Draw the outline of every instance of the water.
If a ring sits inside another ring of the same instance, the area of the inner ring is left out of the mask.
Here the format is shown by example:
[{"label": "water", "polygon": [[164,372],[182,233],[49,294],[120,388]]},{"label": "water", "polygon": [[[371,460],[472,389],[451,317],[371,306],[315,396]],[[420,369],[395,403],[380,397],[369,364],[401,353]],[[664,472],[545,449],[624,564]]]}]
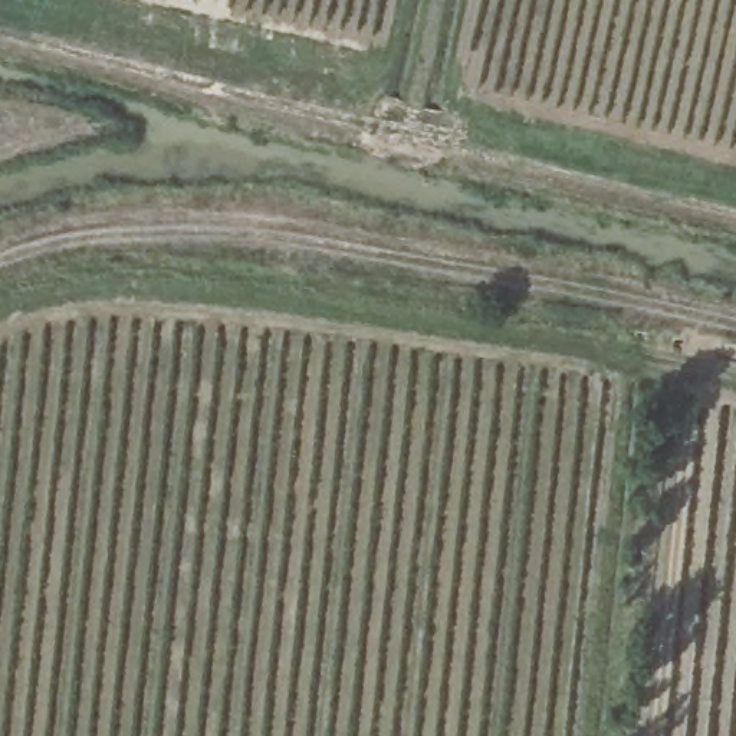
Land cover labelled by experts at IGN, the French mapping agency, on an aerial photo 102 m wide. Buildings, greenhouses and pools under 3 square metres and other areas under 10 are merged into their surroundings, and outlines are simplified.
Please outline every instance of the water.
[{"label": "water", "polygon": [[23,216],[35,210],[69,213],[72,196],[92,184],[239,184],[250,181],[256,173],[282,170],[288,181],[336,193],[342,198],[357,198],[374,207],[400,210],[411,216],[428,216],[497,236],[532,236],[546,242],[578,250],[615,253],[621,259],[641,265],[647,273],[670,267],[670,259],[684,259],[693,273],[710,273],[722,256],[707,250],[687,250],[647,236],[595,233],[587,224],[566,221],[561,216],[523,216],[515,210],[489,213],[457,196],[451,196],[443,187],[417,187],[408,178],[391,175],[380,167],[380,161],[345,167],[311,161],[305,155],[279,152],[270,147],[244,150],[242,144],[230,144],[210,132],[190,129],[181,121],[144,104],[135,104],[132,109],[115,104],[106,118],[132,124],[132,155],[101,155],[81,164],[32,173],[14,181],[0,181],[0,213],[14,207],[20,207]]}]

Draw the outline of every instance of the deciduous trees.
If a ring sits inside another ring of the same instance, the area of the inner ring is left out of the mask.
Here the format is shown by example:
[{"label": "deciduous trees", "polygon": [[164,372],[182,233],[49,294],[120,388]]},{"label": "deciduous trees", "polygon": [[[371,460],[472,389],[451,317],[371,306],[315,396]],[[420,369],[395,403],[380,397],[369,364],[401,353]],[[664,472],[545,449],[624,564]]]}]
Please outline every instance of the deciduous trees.
[{"label": "deciduous trees", "polygon": [[658,495],[667,489],[661,477],[650,474],[653,451],[661,446],[661,437],[650,420],[638,423],[638,440],[635,446],[630,446],[630,460],[624,466],[612,463],[607,526],[595,529],[595,543],[604,543],[604,564],[598,610],[587,612],[575,736],[630,736],[641,727],[638,716],[641,707],[647,707],[635,696],[641,687],[656,684],[658,667],[644,653],[644,638],[633,635],[635,621],[647,618],[644,607],[627,604],[624,578],[635,575],[635,532],[641,526],[653,526],[658,532],[667,529],[667,523],[656,512]]},{"label": "deciduous trees", "polygon": [[95,124],[95,132],[0,161],[0,181],[14,181],[32,173],[81,164],[101,155],[132,155],[132,124],[106,118],[115,104],[132,109],[135,104],[144,104],[181,121],[193,112],[193,104],[187,98],[164,95],[132,78],[124,81],[124,86],[104,83],[92,78],[86,69],[60,69],[49,58],[20,60],[20,81],[40,83],[40,92],[26,92],[23,101],[78,112]]},{"label": "deciduous trees", "polygon": [[566,221],[587,224],[595,233],[647,236],[687,250],[707,250],[722,256],[730,259],[736,253],[736,216],[730,221],[722,221],[710,216],[696,216],[690,210],[673,210],[667,198],[638,198],[633,196],[633,190],[604,190],[601,184],[575,181],[564,175],[555,175],[546,190],[526,193],[520,187],[497,187],[463,175],[457,184],[457,196],[489,213],[515,210],[523,216],[561,216]]},{"label": "deciduous trees", "polygon": [[532,236],[497,236],[492,244],[495,250],[509,250],[532,259],[541,253],[546,242]]}]

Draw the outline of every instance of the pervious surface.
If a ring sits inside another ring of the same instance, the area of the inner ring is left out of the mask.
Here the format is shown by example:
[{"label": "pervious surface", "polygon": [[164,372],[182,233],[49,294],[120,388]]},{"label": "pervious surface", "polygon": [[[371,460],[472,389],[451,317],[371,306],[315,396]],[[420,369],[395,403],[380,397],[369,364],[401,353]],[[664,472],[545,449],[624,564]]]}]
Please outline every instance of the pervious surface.
[{"label": "pervious surface", "polygon": [[526,302],[535,305],[552,305],[555,296],[564,296],[592,305],[624,308],[647,316],[679,319],[684,331],[736,328],[736,288],[727,290],[702,279],[684,279],[676,267],[670,267],[647,273],[641,265],[621,259],[615,253],[578,250],[546,242],[541,253],[532,259],[509,250],[495,250],[469,250],[411,236],[365,233],[359,227],[339,227],[331,221],[282,213],[187,207],[161,210],[158,201],[147,210],[95,204],[92,213],[69,213],[35,210],[23,216],[20,207],[14,207],[0,213],[0,267],[35,259],[40,253],[58,253],[72,247],[221,242],[236,247],[265,247],[282,253],[322,253],[334,259],[351,259],[359,265],[388,265],[420,276],[477,285],[492,282],[495,273],[506,267],[520,267],[529,276]]}]

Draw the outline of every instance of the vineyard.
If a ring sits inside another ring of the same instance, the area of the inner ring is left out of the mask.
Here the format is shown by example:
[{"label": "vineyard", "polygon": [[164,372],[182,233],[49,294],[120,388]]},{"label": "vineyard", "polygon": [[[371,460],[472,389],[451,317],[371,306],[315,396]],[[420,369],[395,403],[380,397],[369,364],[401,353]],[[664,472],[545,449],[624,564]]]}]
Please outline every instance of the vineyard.
[{"label": "vineyard", "polygon": [[587,612],[598,610],[604,564],[604,543],[595,543],[595,529],[607,526],[612,463],[624,466],[630,460],[630,446],[635,446],[638,440],[638,423],[650,420],[661,437],[661,446],[653,451],[650,474],[661,477],[667,489],[658,495],[656,512],[667,523],[667,529],[658,532],[653,526],[641,526],[635,532],[635,575],[624,578],[627,604],[644,607],[661,587],[676,587],[681,578],[699,575],[702,566],[716,569],[716,595],[710,601],[710,610],[687,621],[687,650],[679,661],[658,667],[656,684],[641,687],[635,696],[647,707],[641,707],[638,716],[641,727],[630,736],[736,736],[736,328],[684,331],[679,319],[647,316],[624,308],[592,305],[564,296],[555,296],[552,305],[535,305],[526,302],[529,276],[520,267],[506,267],[495,273],[492,282],[477,285],[420,276],[388,265],[359,265],[351,259],[334,259],[322,253],[282,253],[265,247],[236,247],[221,242],[72,247],[58,253],[40,253],[35,259],[0,267],[0,736],[575,736]]},{"label": "vineyard", "polygon": [[670,259],[670,267],[676,267],[684,279],[702,279],[727,290],[736,288],[736,253],[730,259],[722,256],[710,273],[693,273],[684,259]]},{"label": "vineyard", "polygon": [[676,150],[713,164],[736,161],[736,0],[469,0],[457,43],[457,60],[463,69],[457,98],[469,98],[500,112],[520,112],[526,121],[555,121],[566,127],[595,129],[615,138],[627,138],[638,147]]},{"label": "vineyard", "polygon": [[265,40],[270,40],[276,32],[285,32],[322,40],[331,46],[348,46],[357,52],[388,43],[400,0],[132,0],[187,9],[219,20],[224,17],[230,23],[259,26],[265,29]]},{"label": "vineyard", "polygon": [[408,106],[408,101],[397,98],[368,98],[365,104],[351,104],[348,109],[339,109],[319,101],[267,95],[256,83],[219,83],[196,72],[150,63],[132,55],[112,55],[52,35],[40,40],[40,52],[49,58],[60,69],[86,69],[92,78],[104,83],[124,86],[124,81],[132,78],[164,95],[187,98],[193,104],[193,112],[181,121],[190,129],[210,132],[230,144],[242,144],[244,150],[270,147],[279,152],[305,155],[311,161],[345,167],[380,161],[380,167],[391,175],[408,178],[417,187],[443,187],[451,196],[457,196],[457,184],[463,175],[497,187],[520,187],[526,193],[546,190],[555,175],[564,175],[575,181],[601,184],[604,190],[633,190],[633,196],[638,198],[667,198],[673,210],[690,210],[696,216],[710,216],[722,221],[730,221],[736,216],[736,207],[696,196],[676,196],[667,190],[647,190],[621,178],[558,167],[518,152],[469,147],[466,121],[451,109],[440,109],[437,101]]}]

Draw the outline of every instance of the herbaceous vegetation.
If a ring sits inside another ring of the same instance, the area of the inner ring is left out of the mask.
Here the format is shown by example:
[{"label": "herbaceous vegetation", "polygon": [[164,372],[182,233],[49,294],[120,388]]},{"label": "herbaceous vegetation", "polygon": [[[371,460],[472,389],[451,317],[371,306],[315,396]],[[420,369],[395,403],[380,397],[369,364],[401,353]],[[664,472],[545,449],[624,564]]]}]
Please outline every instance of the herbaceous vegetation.
[{"label": "herbaceous vegetation", "polygon": [[681,578],[676,587],[661,587],[644,607],[647,618],[635,621],[633,635],[644,638],[644,653],[658,667],[679,661],[687,650],[687,621],[710,610],[710,601],[716,595],[716,569],[702,566],[699,575]]},{"label": "herbaceous vegetation", "polygon": [[495,250],[492,244],[497,236],[428,216],[411,216],[400,210],[374,207],[357,198],[342,198],[336,193],[288,181],[282,170],[256,173],[250,181],[239,184],[92,184],[72,196],[69,213],[92,213],[95,204],[147,210],[158,201],[161,210],[187,207],[282,213],[331,221],[339,227],[359,227],[365,233],[411,236],[469,250]]},{"label": "herbaceous vegetation", "polygon": [[348,46],[331,46],[322,40],[285,32],[276,32],[270,40],[265,40],[265,29],[259,26],[230,23],[224,17],[219,20],[187,9],[132,0],[0,0],[0,161],[95,132],[95,124],[78,112],[23,101],[26,92],[40,92],[40,83],[20,81],[20,60],[49,58],[40,52],[40,40],[52,35],[112,55],[132,55],[150,63],[196,72],[219,83],[256,83],[267,95],[319,101],[339,109],[348,109],[351,104],[365,104],[368,98],[397,98],[408,101],[408,106],[437,101],[440,109],[451,109],[466,121],[469,147],[518,152],[558,167],[621,178],[647,190],[667,190],[676,196],[696,196],[736,207],[736,161],[713,164],[676,150],[638,147],[627,138],[615,138],[595,129],[566,127],[555,121],[526,121],[520,112],[500,112],[469,98],[457,98],[463,69],[457,60],[457,43],[469,0],[400,0],[388,43],[357,52]]}]

